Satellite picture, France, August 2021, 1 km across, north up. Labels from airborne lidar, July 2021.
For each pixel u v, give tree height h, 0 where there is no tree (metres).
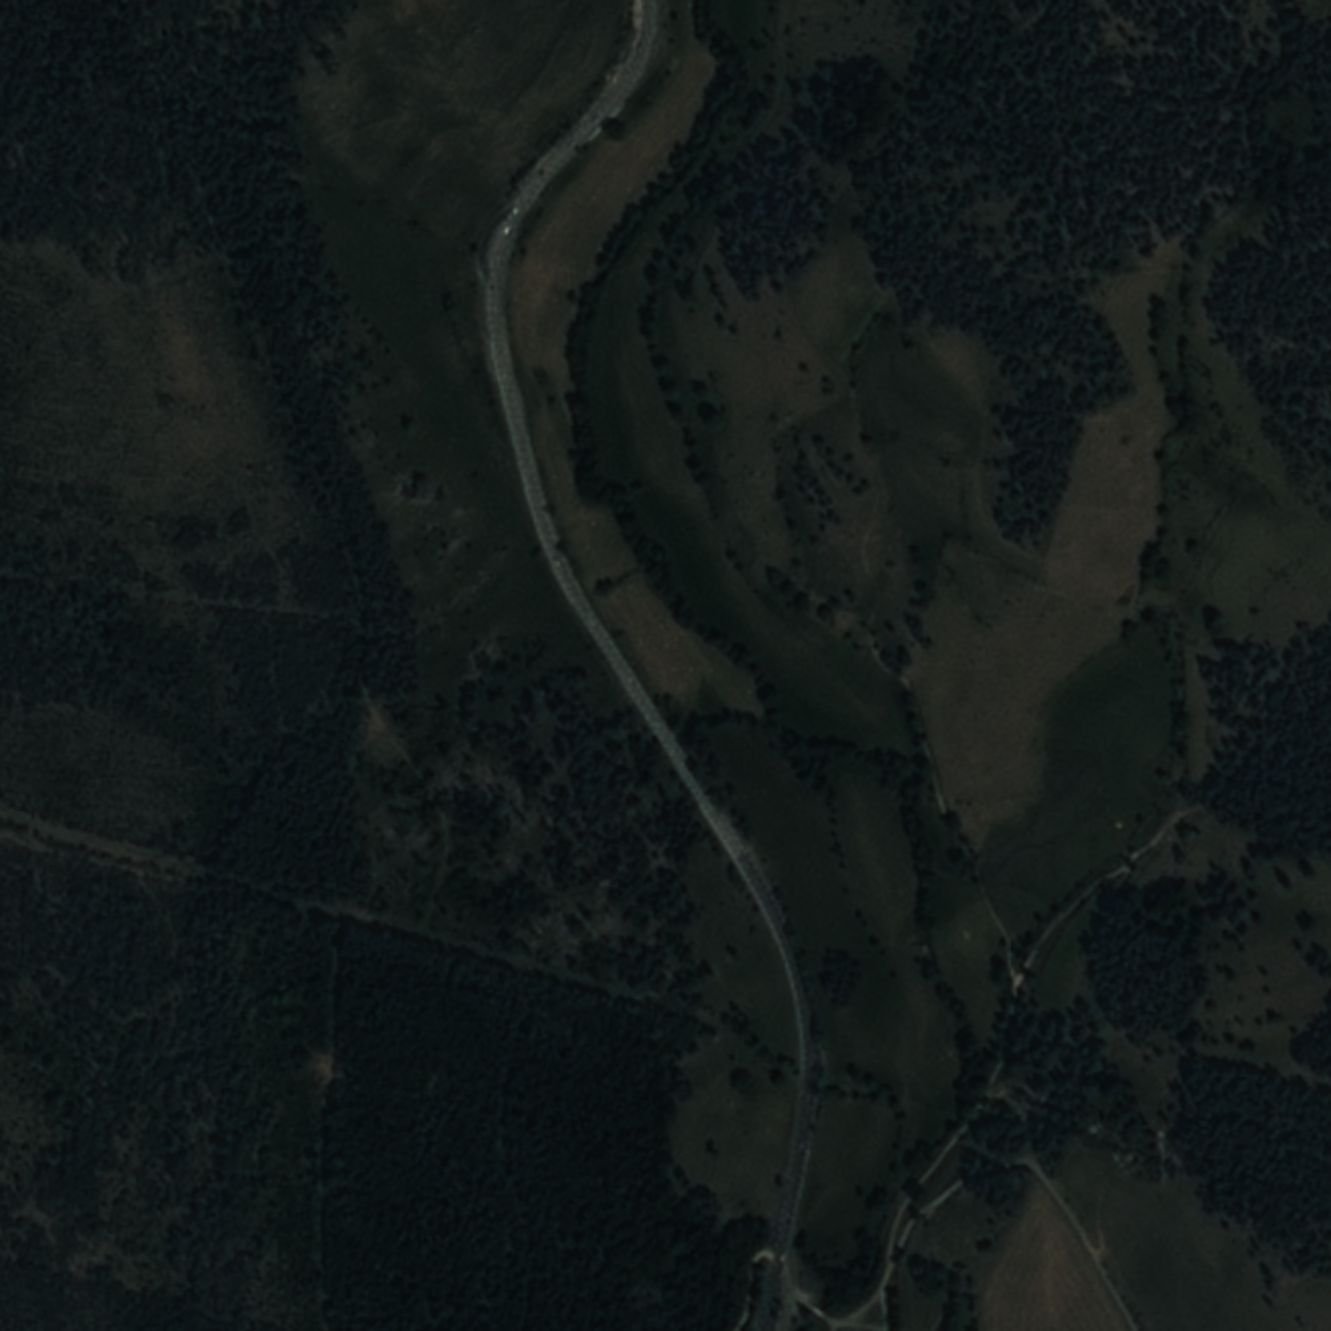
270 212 13
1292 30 12
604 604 0
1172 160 6
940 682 0
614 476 0
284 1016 15
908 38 0
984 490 0
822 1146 0
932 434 0
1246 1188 12
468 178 0
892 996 0
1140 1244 0
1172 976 13
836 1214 0
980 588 0
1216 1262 0
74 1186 13
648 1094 18
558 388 0
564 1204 9
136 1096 8
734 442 0
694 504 0
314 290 17
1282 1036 0
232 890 14
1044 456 12
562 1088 12
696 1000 11
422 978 12
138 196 12
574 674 11
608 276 8
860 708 0
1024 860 0
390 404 0
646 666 0
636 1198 13
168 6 13
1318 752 16
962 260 9
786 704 0
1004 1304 0
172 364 0
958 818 8
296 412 14
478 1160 11
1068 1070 11
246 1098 13
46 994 13
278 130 21
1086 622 0
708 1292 23
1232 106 8
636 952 11
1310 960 6
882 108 7
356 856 10
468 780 10
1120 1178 0
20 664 11
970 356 0
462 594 0
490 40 0
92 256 17
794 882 0
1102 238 20
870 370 0
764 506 0
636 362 0
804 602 11
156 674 8
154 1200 6
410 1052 10
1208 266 0
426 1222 6
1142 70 9
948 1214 0
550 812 14
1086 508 0
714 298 8
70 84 21
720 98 18
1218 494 0
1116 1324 0
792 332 0
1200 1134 16
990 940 0
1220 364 0
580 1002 15
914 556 7
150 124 22
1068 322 16
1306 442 8
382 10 0
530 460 0
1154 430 0
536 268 0
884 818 0
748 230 16
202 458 0
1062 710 0
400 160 0
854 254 0
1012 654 0
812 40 0
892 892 0
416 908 6
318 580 6
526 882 11
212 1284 17
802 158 17
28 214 17
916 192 9
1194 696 0
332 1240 15
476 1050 10
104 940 15
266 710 12
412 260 0
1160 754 0
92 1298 6
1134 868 13
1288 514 0
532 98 0
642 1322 15
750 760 0
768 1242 9
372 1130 12
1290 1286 0
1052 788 0
